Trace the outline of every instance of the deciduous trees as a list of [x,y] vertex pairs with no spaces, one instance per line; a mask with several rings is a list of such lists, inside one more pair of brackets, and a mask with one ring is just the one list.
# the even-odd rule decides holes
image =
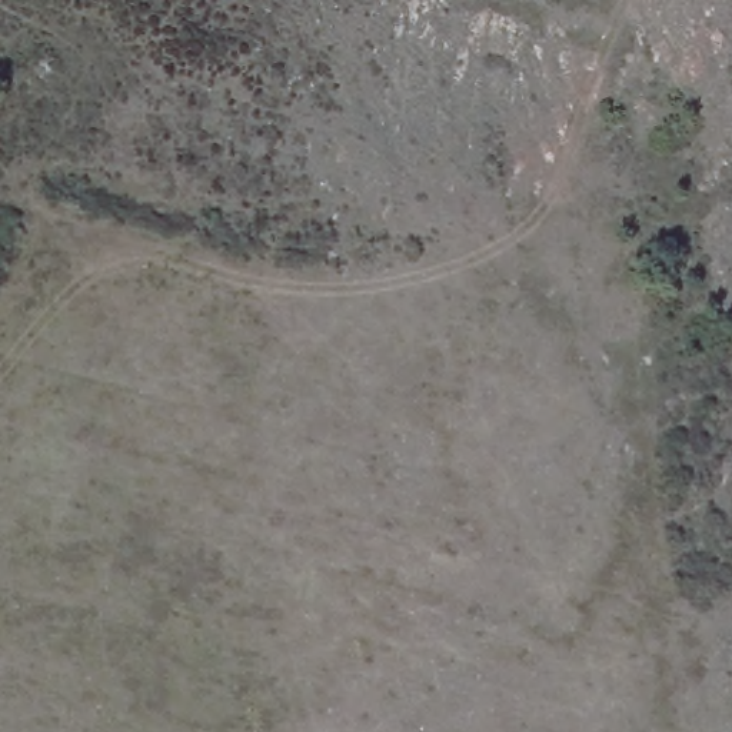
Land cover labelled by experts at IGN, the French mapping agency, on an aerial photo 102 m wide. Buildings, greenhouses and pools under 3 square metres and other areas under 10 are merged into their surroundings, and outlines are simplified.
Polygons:
[[14,263],[14,232],[26,226],[26,209],[0,200],[0,269],[6,263]]

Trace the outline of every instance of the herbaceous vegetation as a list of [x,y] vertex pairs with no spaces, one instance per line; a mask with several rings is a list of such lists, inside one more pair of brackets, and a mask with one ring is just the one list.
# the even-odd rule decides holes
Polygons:
[[695,403],[698,417],[692,417],[692,426],[681,426],[681,435],[689,446],[678,452],[666,449],[661,440],[655,449],[655,455],[663,460],[661,492],[669,492],[669,512],[663,509],[661,515],[666,523],[681,523],[689,529],[683,540],[669,540],[675,580],[681,598],[701,612],[709,612],[723,592],[732,592],[732,300],[723,289],[715,289],[709,277],[695,277],[692,266],[686,266],[686,254],[692,252],[686,229],[661,229],[652,240],[646,240],[638,249],[646,277],[641,292],[649,309],[649,320],[641,329],[652,337],[652,346],[658,349],[652,355],[658,383],[666,383],[666,397],[681,392],[695,392],[701,397]]
[[712,203],[729,203],[729,200],[732,200],[732,166],[726,166],[726,169],[723,169],[723,174],[721,174],[721,183],[718,183],[718,186],[715,186],[712,192],[706,192]]
[[692,97],[689,106],[669,103],[669,114],[652,126],[649,149],[655,154],[681,152],[692,143],[692,137],[701,134],[701,100]]
[[320,263],[329,269],[343,269],[340,257],[329,257],[332,243],[337,240],[337,226],[335,220],[320,220],[320,189],[309,177],[306,137],[286,114],[280,114],[280,106],[292,106],[297,97],[315,100],[315,106],[323,112],[343,109],[335,100],[337,80],[329,69],[335,46],[312,49],[306,34],[300,31],[303,14],[320,17],[320,6],[315,0],[0,0],[0,169],[14,157],[46,157],[46,152],[54,149],[60,152],[60,157],[77,160],[80,172],[66,172],[54,177],[40,174],[40,192],[49,203],[69,200],[77,203],[92,220],[112,217],[114,223],[154,229],[163,237],[192,232],[203,240],[206,249],[240,263],[254,257],[280,269]]

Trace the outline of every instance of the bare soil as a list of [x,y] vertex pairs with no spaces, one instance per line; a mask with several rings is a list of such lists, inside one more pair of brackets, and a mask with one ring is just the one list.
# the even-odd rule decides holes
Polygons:
[[[718,186],[718,183],[721,183],[721,174],[723,174],[723,169],[726,169],[726,166],[732,166],[732,0],[315,0],[320,6],[320,17],[303,14],[300,31],[306,34],[312,49],[335,46],[329,69],[337,80],[335,100],[343,109],[323,112],[315,106],[315,100],[297,97],[292,106],[280,106],[280,114],[286,114],[306,137],[309,177],[320,189],[320,220],[335,220],[337,226],[337,240],[332,243],[329,257],[340,257],[343,269],[329,269],[320,263],[280,269],[254,257],[240,263],[206,249],[203,240],[192,232],[163,237],[154,229],[114,223],[112,217],[92,220],[77,203],[69,200],[49,203],[40,192],[40,174],[54,177],[66,172],[80,172],[77,160],[60,157],[60,152],[54,149],[46,152],[46,157],[14,157],[0,169],[0,200],[26,209],[26,226],[14,232],[14,263],[6,263],[0,269],[0,732],[732,732],[732,592],[723,592],[709,612],[701,612],[681,598],[675,580],[669,540],[683,540],[689,529],[681,523],[666,523],[661,515],[663,509],[669,512],[669,492],[661,492],[663,460],[655,455],[655,449],[661,440],[666,449],[678,452],[689,446],[681,435],[681,426],[692,426],[692,417],[698,417],[695,403],[701,397],[695,392],[681,392],[666,397],[666,383],[658,383],[652,355],[658,349],[652,346],[652,337],[641,329],[649,320],[649,309],[641,292],[646,277],[638,249],[646,240],[652,240],[661,229],[686,229],[692,252],[686,254],[686,266],[692,266],[695,277],[709,277],[715,289],[723,289],[732,300],[732,200],[729,200],[729,203],[712,203],[706,192],[712,192],[715,186]],[[669,103],[689,106],[692,97],[701,100],[701,134],[692,137],[692,143],[681,152],[655,154],[649,149],[652,126],[669,114]]]

